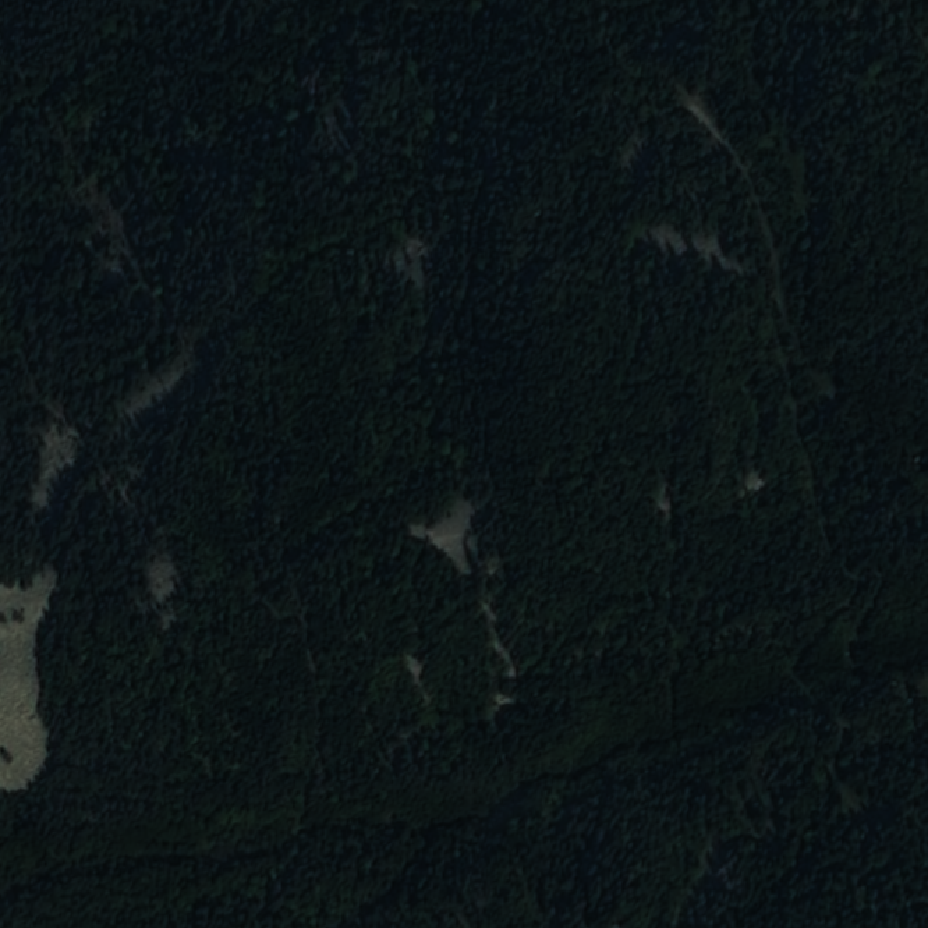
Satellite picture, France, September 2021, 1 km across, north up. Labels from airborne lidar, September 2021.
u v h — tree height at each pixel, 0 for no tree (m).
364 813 11
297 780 17
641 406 26
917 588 23
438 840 21
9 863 6
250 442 15
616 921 25
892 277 23
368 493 25
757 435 18
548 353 25
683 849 21
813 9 20
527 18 22
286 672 14
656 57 10
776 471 25
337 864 17
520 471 22
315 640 15
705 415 19
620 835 24
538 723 21
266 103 21
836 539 17
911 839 18
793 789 25
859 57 7
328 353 15
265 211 13
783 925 24
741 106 14
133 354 18
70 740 23
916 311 20
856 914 25
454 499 14
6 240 10
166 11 15
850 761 23
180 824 16
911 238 23
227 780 14
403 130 32
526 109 21
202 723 16
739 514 19
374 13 20
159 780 16
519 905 10
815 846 17
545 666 20
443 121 12
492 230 10
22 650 0
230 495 12
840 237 22
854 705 23
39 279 9
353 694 18
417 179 16
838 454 31
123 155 15
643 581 21
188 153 13
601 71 19
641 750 12
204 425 17
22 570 11
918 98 20
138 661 12
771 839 7
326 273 14
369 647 11
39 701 11
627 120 10
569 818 30
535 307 17
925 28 11
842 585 22
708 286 11
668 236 0
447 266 13
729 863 24
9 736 0
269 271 23
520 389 24
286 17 12
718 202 14
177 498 20
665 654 27
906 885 23
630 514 16
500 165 24
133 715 13
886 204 25
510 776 16
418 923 10
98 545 27
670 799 20
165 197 10
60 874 10
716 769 22
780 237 14
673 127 15
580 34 21
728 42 10
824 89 19
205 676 13
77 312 25
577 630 21
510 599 18
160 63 10
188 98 20
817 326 20
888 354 24
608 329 25
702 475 16
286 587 19
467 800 17
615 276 26
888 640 23
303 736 14
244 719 17
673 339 25
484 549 11
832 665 20
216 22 17
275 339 11
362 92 25
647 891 23
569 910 12
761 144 19
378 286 18
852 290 25
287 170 18
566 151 21
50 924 11
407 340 25
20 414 15
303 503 13
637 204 26
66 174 13
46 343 21
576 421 14
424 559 23
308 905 18
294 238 11
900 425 24
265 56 16
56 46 25
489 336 28
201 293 19
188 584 12
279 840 13
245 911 20
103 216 6
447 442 21
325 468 14
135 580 22
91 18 23
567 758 14
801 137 7
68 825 30
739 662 21
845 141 19
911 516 23
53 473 0
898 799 8
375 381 10
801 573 25
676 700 14
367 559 17
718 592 28
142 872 18
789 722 27
